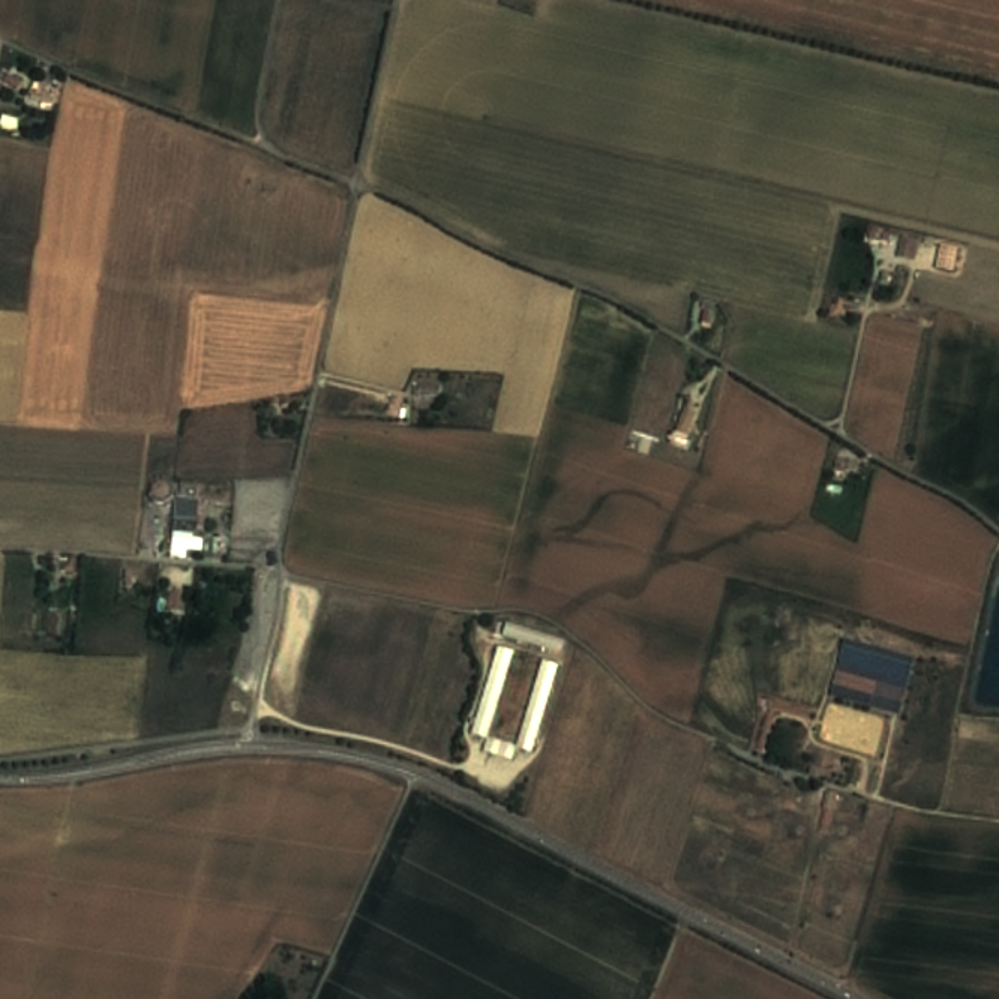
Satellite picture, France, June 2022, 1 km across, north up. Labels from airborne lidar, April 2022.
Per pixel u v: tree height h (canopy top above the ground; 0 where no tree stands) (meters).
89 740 0
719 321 0
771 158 0
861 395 0
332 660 0
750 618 0
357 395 0
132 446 0
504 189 0
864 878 0
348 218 0
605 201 0
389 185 0
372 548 0
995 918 0
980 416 0
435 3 0
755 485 0
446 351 0
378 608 0
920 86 0
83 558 10
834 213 0
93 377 0
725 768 0
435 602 0
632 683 0
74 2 0
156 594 9
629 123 0
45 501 0
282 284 0
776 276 0
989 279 0
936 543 0
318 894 0
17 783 0
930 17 0
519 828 0
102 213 0
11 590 0
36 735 0
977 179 0
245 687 0
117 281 0
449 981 0
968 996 0
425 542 0
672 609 0
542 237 0
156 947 0
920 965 0
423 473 0
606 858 0
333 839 0
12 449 0
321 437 0
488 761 0
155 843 0
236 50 0
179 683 0
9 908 0
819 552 0
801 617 0
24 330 0
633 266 0
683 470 0
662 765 0
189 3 0
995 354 0
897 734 0
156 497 0
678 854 0
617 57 0
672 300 0
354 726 0
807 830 0
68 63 0
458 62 0
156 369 0
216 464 0
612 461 0
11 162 0
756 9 0
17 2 0
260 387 0
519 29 0
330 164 0
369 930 0
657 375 0
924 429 0
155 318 0
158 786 0
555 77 0
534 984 0
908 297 0
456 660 0
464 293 0
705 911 0
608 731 0
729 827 0
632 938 0
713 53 0
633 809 0
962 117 0
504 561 0
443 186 0
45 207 0
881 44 0
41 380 0
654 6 10
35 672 0
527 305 0
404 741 0
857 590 0
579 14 0
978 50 0
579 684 0
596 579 0
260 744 0
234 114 0
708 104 0
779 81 0
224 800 0
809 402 0
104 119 0
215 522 7
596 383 0
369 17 0
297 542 0
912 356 0
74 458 0
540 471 0
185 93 0
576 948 0
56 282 0
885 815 0
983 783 0
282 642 0
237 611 5
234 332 0
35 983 0
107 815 0
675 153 0
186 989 0
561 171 0
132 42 0
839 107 0
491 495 0
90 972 0
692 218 0
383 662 0
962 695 0
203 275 0
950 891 0
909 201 0
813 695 0
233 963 0
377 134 0
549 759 0
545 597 0
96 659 0
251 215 0
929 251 0
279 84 0
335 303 0
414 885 0
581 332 0
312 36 0
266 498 0
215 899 0
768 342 0
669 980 0
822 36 0
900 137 0
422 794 0
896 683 0
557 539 0
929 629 0
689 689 0
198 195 0
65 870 0
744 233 0
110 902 0
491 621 7
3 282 0
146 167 0
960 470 0
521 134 0
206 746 0
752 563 0
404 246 0
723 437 0
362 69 0
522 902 0
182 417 6
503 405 0
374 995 0
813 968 0
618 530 0
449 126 0
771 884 0
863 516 0
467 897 0
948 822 0
